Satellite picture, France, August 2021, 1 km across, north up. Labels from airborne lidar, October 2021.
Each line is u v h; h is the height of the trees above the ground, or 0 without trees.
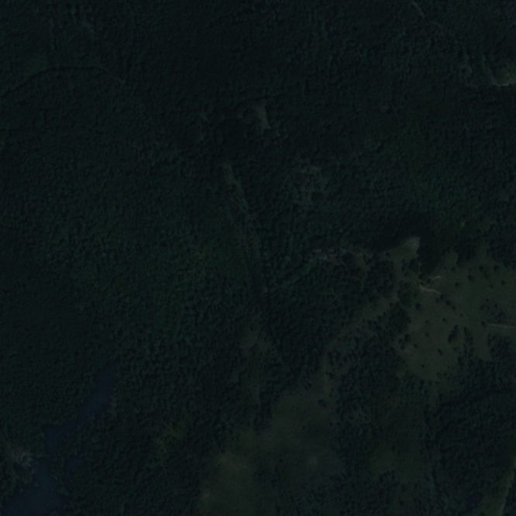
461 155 21
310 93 29
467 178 15
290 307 15
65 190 16
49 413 21
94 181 11
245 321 10
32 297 21
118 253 14
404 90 24
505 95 21
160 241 14
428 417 12
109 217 11
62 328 21
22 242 16
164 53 29
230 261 15
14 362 23
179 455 13
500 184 10
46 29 33
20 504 7
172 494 10
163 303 16
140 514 14
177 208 8
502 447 20
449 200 14
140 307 14
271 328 18
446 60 13
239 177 12
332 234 9
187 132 21
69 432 25
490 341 8
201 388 12
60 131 27
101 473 15
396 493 6
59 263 12
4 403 15
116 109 19
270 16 34
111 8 17
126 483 16
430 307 0
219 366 16
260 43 30
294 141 18
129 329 15
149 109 16
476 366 13
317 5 24
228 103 14
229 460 0
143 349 13
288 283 18
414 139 16
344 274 10
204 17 20
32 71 20
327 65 29
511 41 21
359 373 7
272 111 22
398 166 18
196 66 18
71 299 18
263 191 12
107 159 15
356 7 25
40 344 22
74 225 12
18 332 23
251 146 20
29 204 27
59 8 30
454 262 0
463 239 13
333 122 29
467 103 19
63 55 34
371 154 15
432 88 18
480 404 24
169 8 18
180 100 9
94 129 21
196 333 7
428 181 12
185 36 24
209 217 18
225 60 23
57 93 24
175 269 13
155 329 16
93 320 11
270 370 8
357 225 16
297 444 0
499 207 19
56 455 19
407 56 28
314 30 24
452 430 15
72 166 15
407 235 10
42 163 20
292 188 9
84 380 21
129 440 8
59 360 27
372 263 9
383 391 14
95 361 20
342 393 17
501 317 9
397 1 23
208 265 7
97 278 10
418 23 11
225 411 7
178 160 14
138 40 19
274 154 27
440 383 7
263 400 13
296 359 12
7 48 32
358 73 23
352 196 20
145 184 23
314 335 8
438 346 0
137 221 12
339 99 37
